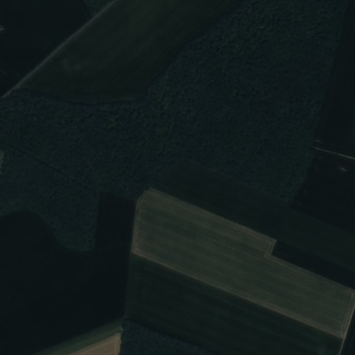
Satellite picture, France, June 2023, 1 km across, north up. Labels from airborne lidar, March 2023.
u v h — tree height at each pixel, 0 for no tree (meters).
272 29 13
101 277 0
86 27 0
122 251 0
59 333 0
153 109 21
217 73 22
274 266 0
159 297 0
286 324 0
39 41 0
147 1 0
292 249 0
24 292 0
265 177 24
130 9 0
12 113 17
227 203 0
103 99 0
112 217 0
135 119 12
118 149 27
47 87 0
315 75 22
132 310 0
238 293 0
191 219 0
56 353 0
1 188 16
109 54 0
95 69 0
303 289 0
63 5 0
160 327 0
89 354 0
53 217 17
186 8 0
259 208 0
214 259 0
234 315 0
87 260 0
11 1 0
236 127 25
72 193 22
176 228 0
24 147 18
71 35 0
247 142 27
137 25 0
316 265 0
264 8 18
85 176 25
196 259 0
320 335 0
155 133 24
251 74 18
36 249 0
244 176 22
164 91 11
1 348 0
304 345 0
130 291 0
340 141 0
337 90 0
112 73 0
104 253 0
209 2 0
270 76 23
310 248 0
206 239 0
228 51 11
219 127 23
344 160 0
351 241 0
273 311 0
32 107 25
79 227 25
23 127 15
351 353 0
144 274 0
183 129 14
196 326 0
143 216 0
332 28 18
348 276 0
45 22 0
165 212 0
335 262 0
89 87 0
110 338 0
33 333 0
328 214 0
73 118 15
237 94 22
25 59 0
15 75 0
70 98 0
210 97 17
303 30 16
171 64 14
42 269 0
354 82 0
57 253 0
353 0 0
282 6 18
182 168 0
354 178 0
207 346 0
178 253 0
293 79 23
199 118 22
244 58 11
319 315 0
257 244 0
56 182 26
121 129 22
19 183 20
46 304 0
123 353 19
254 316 0
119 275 0
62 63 0
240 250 0
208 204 0
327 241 0
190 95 8
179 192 0
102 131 22
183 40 0
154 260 0
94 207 14
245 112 22
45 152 17
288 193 19
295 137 24
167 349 20
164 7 0
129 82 0
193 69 16
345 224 0
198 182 0
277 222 0
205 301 0
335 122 0
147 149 24
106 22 0
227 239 0
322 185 0
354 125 0
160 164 15
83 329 0
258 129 28
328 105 0
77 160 26
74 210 24
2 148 10
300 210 0
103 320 0
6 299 0
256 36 15
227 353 0
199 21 0
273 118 24
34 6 0
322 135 0
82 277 0
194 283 0
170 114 9
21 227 0
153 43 0
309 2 19
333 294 0
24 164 18
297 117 17
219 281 0
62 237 18
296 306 0
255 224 0
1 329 0
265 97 25
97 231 0
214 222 0
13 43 0
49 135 20
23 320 0
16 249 0
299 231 0
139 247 0
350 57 0
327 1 18
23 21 0
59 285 0
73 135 21
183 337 0
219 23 23
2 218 0
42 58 0
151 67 0
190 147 20
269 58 15
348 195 0
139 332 22
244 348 0
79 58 0
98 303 0
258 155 26
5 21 0
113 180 19
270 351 0
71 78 0
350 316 0
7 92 0
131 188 19
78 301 0
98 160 27
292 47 18
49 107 21
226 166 22
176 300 0
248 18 22
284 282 0
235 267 0
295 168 22
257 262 0
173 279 0
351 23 0
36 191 22
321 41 20
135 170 25
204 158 20
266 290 0
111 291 0
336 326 0
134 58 0
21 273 0
